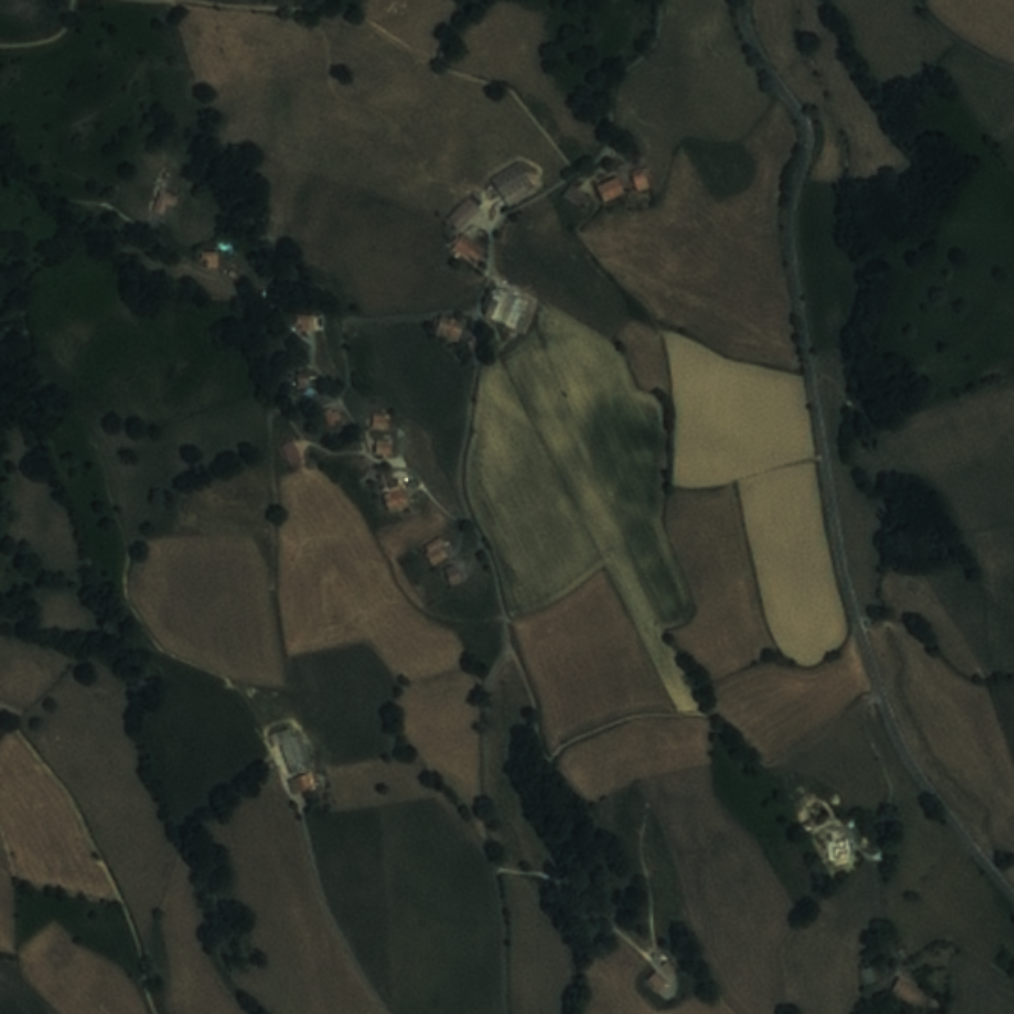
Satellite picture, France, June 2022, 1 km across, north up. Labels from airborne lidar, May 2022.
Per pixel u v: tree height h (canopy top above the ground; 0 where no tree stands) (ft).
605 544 0
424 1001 0
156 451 0
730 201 0
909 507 69
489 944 0
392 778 0
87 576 61
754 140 0
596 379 0
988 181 0
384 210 0
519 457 0
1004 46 0
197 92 52
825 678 0
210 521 0
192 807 0
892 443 0
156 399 0
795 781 0
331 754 0
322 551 0
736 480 0
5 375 65
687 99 0
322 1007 0
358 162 0
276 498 0
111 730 0
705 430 0
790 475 0
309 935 0
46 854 0
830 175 0
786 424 0
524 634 0
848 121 0
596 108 42
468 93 0
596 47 29
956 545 54
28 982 0
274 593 0
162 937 0
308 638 0
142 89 27
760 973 0
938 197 68
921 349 0
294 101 0
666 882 0
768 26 0
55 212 31
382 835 0
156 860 0
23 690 0
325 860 0
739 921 0
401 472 0
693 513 0
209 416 0
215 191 59
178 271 0
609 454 0
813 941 0
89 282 0
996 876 0
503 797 0
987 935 0
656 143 0
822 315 0
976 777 0
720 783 0
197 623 0
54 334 0
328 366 0
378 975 0
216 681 0
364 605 0
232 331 79
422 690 0
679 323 0
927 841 0
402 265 0
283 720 0
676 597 0
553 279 0
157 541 0
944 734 0
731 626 0
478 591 0
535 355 0
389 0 0
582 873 62
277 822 0
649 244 0
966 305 38
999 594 0
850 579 0
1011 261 0
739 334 0
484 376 0
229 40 0
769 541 0
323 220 0
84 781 0
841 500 0
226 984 0
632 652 0
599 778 0
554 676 0
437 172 0
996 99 0
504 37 0
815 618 0
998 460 0
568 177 30
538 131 0
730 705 0
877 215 60
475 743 0
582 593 0
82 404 0
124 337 0
